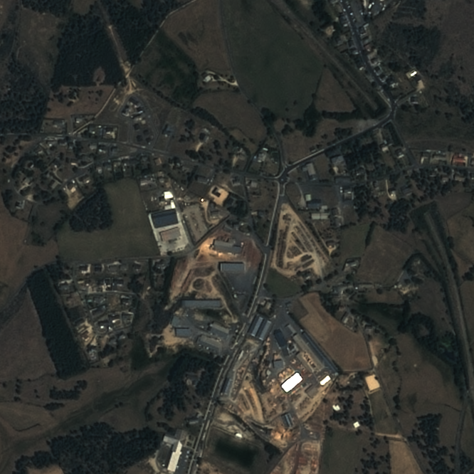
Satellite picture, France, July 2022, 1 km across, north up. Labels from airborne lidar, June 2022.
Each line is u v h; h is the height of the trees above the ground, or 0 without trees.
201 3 0
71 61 9
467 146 0
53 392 16
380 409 0
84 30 12
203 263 0
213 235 0
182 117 0
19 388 15
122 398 0
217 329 0
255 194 9
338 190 0
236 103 0
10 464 0
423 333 0
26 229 0
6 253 0
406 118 0
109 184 0
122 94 0
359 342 0
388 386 0
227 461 0
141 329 0
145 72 0
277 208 0
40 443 0
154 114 0
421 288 0
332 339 0
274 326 0
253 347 0
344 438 0
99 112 0
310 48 0
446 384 0
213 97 0
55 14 13
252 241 0
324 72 0
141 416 0
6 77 0
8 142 0
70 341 17
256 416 0
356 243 0
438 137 0
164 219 0
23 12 0
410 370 0
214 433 0
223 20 0
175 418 0
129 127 0
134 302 7
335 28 13
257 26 0
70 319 16
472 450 0
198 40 0
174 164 6
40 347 0
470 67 0
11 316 0
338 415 13
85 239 0
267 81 0
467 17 0
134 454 15
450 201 0
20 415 0
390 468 7
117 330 0
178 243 0
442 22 0
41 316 15
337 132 9
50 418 0
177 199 0
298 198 0
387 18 0
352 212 0
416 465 0
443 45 0
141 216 0
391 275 0
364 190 11
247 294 0
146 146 0
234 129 0
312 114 5
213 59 0
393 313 0
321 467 0
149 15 11
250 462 0
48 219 0
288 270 0
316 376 0
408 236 0
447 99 9
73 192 0
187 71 0
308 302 0
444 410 0
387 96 0
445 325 0
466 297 0
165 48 0
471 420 0
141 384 0
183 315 0
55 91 11
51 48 0
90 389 0
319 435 0
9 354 0
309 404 0
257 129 0
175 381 15
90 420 0
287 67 0
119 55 0
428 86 0
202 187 0
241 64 0
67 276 13
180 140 7
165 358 0
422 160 0
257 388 0
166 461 0
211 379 17
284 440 0
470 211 0
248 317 0
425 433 10
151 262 6
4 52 0
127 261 0
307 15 0
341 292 0
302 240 0
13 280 0
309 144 0
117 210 0
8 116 10
